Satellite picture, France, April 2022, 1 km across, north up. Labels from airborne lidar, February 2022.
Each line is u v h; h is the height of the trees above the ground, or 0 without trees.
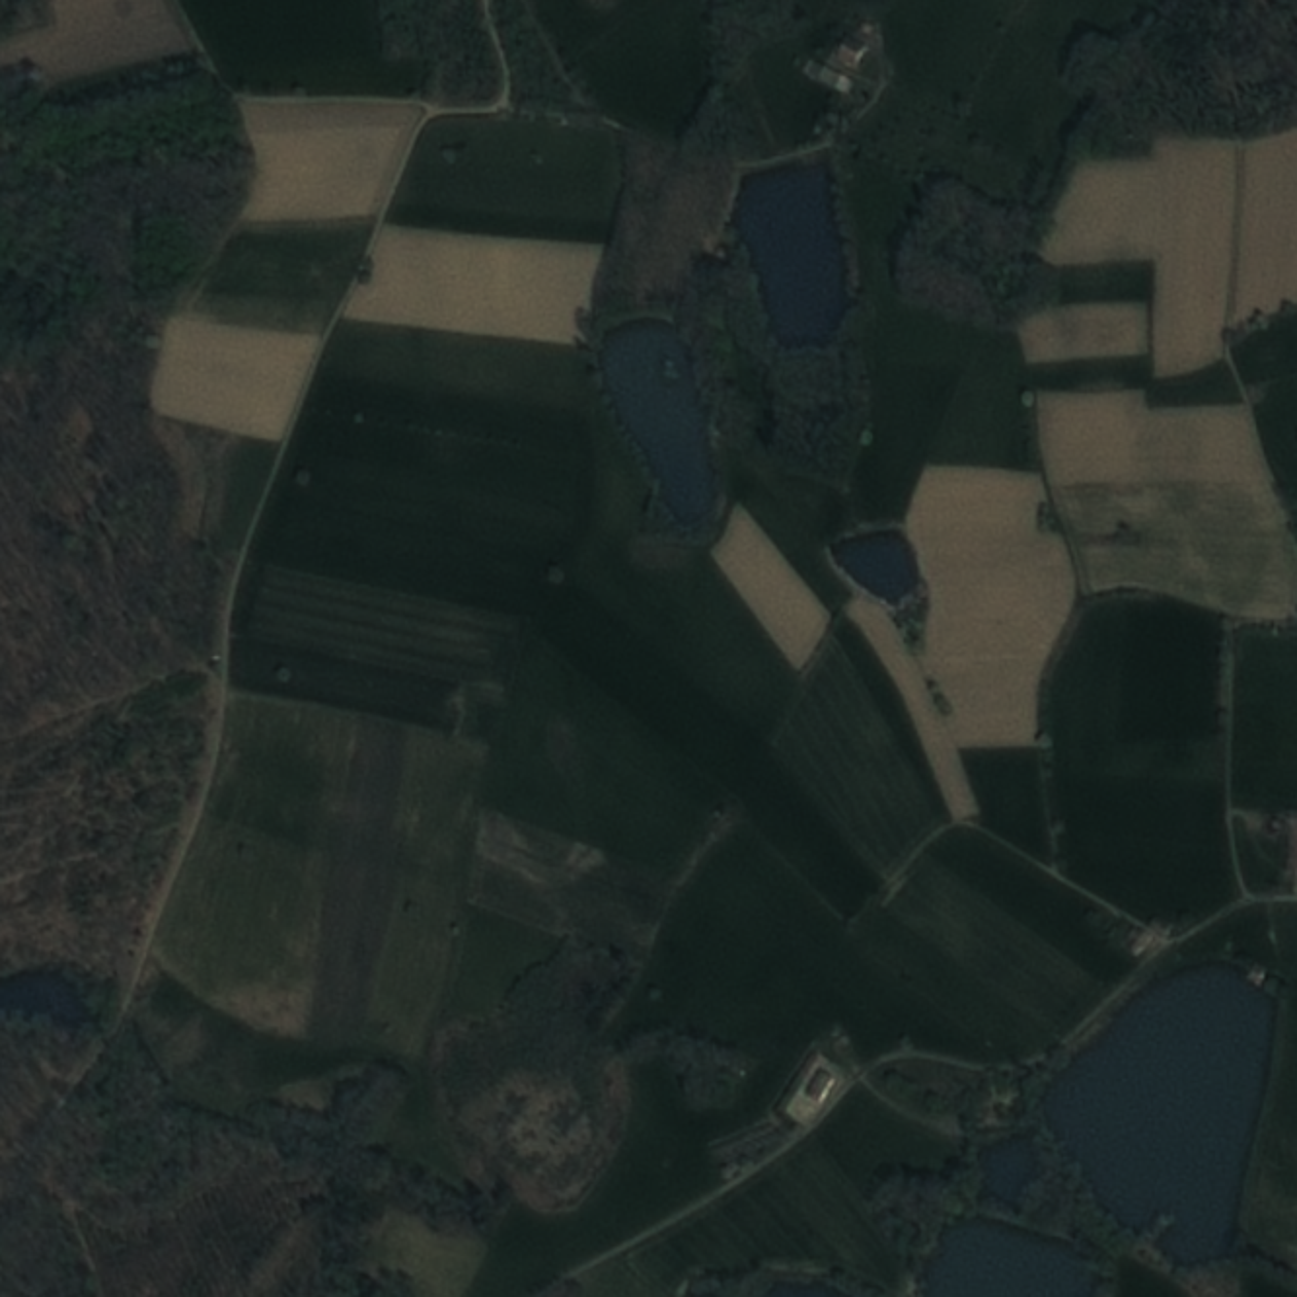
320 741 0
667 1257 0
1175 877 0
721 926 0
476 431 0
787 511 0
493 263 0
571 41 0
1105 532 0
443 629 0
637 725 0
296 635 0
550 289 0
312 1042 0
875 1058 0
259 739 0
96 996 22
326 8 0
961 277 25
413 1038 0
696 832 0
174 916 0
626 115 0
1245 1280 0
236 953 0
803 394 26
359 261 0
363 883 0
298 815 0
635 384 0
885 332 0
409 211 0
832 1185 0
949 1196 28
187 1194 27
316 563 0
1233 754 0
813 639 0
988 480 0
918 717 0
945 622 0
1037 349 0
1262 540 0
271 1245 9
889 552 0
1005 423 0
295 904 0
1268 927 0
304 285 0
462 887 0
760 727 0
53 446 25
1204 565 0
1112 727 0
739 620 0
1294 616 0
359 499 0
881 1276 0
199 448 0
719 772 0
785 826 0
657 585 0
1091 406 0
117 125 16
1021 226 27
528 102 12
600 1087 0
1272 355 0
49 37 0
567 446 0
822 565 0
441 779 0
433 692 0
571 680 0
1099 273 0
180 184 29
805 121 0
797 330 0
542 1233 0
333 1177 23
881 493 0
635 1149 0
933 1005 0
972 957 0
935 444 0
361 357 0
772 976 0
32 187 17
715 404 23
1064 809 0
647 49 0
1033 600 0
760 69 0
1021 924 0
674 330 0
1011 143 0
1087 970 0
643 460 8
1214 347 0
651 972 0
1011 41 0
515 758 0
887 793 0
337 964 0
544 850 0
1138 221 0
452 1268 0
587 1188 0
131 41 0
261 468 0
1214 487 0
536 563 0
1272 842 0
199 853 0
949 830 0
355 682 0
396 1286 21
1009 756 0
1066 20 0
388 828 0
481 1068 0
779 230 0
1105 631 0
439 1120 0
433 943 0
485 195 0
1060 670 0
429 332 0
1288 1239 0
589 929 0
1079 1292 0
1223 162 0
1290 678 0
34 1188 27
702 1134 0
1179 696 0
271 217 0
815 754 0
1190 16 14
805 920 0
